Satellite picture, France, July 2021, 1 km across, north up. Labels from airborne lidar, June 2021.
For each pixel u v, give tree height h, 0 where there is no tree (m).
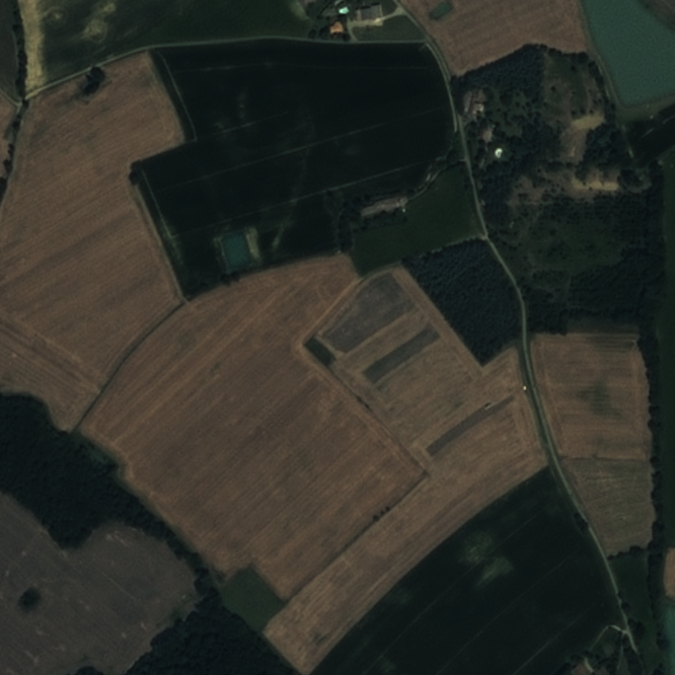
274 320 0
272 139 0
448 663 0
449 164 7
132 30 0
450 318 16
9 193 0
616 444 0
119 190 0
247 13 0
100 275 0
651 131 0
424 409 0
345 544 0
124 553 0
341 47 0
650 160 0
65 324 0
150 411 0
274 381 0
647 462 0
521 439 0
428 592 0
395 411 0
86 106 0
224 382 0
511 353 0
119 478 0
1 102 0
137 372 0
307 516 0
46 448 23
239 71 0
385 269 0
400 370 0
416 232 0
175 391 0
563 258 8
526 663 0
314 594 0
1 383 0
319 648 0
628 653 15
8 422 17
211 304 0
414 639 0
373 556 0
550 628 0
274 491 0
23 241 0
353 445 0
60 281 0
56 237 0
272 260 0
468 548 0
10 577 0
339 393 0
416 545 0
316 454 0
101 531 0
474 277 18
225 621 18
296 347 0
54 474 24
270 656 24
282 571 0
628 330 0
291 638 0
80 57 0
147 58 0
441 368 0
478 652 0
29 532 0
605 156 13
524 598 0
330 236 0
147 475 0
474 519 0
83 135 0
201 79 0
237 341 0
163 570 0
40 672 0
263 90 0
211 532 0
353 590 0
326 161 0
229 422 0
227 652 30
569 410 0
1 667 0
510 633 0
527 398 0
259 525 0
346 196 0
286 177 0
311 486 0
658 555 17
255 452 0
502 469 0
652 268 24
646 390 0
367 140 0
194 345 0
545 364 0
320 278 0
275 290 0
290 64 0
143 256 0
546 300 8
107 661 0
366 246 0
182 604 0
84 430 0
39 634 0
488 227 9
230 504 0
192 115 0
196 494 0
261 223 0
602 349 0
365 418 0
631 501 0
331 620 0
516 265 0
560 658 0
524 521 0
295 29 0
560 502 0
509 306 17
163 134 0
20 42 6
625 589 0
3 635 0
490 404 0
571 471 0
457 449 0
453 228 0
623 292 9
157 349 0
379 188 0
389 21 0
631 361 0
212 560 0
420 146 0
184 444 0
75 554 0
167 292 0
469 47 0
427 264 16
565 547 0
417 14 0
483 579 0
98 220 0
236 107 0
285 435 0
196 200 0
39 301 0
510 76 18
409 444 0
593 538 0
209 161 0
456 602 0
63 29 0
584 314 13
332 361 0
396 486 0
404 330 0
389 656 0
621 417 0
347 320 0
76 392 0
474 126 13
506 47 0
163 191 0
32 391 0
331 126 0
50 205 0
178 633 19
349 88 0
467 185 10
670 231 0
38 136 0
